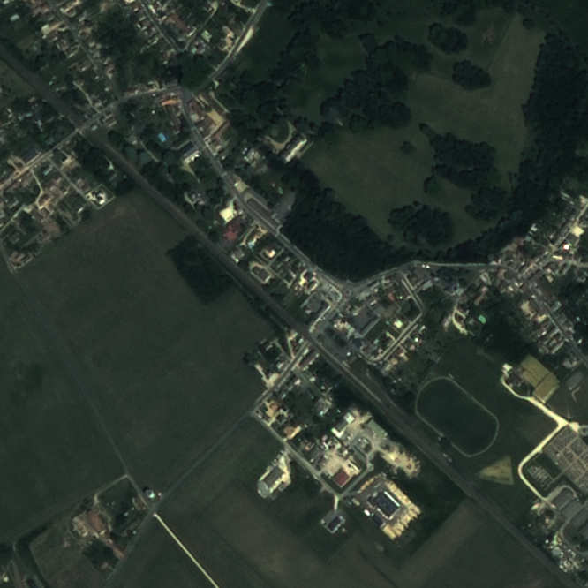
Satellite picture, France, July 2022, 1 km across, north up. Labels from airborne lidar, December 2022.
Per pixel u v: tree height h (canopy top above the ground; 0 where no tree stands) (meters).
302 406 0
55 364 0
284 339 12
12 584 0
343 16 29
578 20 0
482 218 15
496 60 0
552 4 0
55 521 0
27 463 0
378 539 0
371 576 0
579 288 10
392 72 30
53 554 0
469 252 27
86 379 0
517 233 18
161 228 0
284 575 0
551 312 0
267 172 0
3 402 0
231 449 0
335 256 20
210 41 7
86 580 0
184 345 0
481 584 0
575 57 28
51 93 0
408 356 0
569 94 19
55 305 0
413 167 0
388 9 0
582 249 7
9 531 0
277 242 10
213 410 0
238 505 0
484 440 0
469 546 0
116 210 0
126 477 0
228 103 13
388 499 0
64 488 0
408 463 0
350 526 0
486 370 0
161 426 0
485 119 0
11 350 0
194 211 16
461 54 28
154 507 0
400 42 24
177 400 0
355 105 37
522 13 17
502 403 0
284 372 0
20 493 0
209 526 0
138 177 0
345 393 11
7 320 0
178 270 7
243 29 0
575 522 0
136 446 0
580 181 8
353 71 0
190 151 0
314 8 28
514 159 0
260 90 22
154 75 6
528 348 13
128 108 13
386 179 0
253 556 0
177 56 0
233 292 0
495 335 9
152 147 12
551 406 0
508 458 0
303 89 0
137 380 0
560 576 0
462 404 0
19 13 11
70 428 0
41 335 0
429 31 0
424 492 0
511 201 12
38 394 0
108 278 0
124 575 0
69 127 9
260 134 16
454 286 0
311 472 0
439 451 0
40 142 7
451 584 0
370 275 15
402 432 0
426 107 0
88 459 0
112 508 0
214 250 0
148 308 0
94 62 0
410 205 0
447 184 0
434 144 19
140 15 0
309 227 25
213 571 0
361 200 0
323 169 0
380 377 12
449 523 0
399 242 0
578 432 0
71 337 0
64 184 0
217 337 0
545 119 24
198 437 0
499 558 0
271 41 0
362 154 0
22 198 0
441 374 0
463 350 0
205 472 0
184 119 7
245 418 0
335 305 0
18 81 0
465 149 19
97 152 21
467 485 0
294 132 0
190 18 0
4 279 0
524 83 0
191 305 0
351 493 0
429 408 0
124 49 7
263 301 14
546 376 0
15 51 16
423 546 0
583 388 0
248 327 0
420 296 6
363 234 17
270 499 0
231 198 0
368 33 0
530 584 0
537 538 0
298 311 0
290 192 0
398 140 0
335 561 0
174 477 0
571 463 0
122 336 0
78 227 0
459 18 22
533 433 0
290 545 0
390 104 17
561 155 22
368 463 0
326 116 25
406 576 0
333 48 0
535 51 0
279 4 25
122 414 0
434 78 0
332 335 7
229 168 12
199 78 28
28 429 0
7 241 8
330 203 26
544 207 12
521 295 0
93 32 11
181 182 24
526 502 0
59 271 0
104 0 0
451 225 18
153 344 0
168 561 0
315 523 0
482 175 28
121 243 0
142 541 0
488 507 0
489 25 0
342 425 0
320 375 15
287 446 0
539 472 0
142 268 0
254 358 5
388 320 0
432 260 15
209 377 0
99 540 0
